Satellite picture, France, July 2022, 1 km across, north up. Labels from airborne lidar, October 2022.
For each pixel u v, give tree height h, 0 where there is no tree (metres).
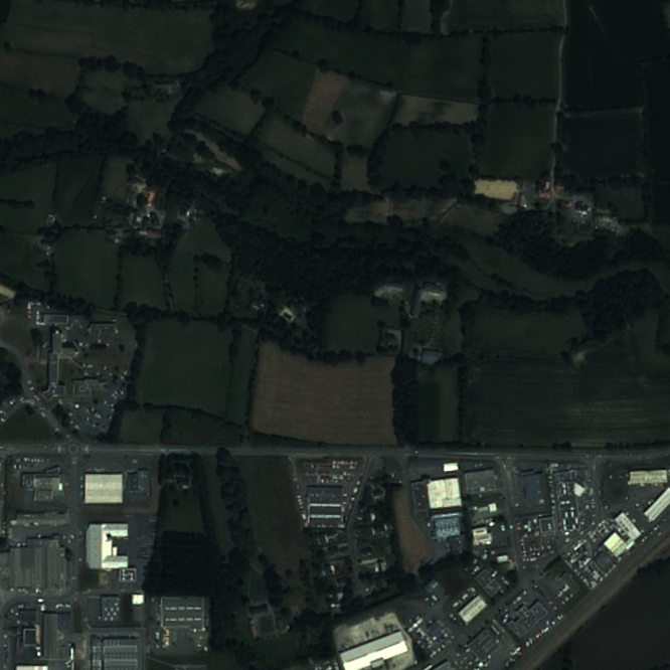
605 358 0
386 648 0
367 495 6
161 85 0
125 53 0
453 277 13
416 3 0
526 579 0
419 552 0
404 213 0
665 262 11
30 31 0
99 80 0
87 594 0
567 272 7
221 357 0
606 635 0
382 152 16
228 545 0
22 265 0
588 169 0
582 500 0
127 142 22
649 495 0
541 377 0
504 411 0
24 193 0
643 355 0
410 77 0
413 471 0
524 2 0
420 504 0
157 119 0
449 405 0
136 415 0
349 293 6
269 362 0
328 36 0
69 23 0
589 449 0
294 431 0
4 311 0
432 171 0
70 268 0
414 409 21
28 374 0
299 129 12
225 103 0
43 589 0
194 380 0
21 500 0
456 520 0
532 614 0
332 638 10
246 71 9
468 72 0
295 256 32
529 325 0
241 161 16
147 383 0
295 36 0
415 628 0
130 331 0
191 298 0
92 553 0
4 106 0
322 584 14
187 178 18
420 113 0
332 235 0
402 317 7
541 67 0
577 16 0
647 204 8
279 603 19
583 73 0
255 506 0
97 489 0
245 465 0
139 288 0
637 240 11
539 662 0
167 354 0
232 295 17
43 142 6
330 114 0
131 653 0
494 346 0
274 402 0
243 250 23
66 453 0
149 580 14
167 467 9
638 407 0
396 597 8
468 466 0
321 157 0
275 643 0
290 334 20
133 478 0
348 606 11
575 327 0
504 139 0
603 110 6
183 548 26
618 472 0
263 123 6
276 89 0
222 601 23
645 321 0
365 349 0
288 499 0
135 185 0
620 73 0
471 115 0
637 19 0
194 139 19
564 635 0
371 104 0
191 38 0
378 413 0
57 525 0
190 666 0
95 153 22
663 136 0
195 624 0
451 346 0
